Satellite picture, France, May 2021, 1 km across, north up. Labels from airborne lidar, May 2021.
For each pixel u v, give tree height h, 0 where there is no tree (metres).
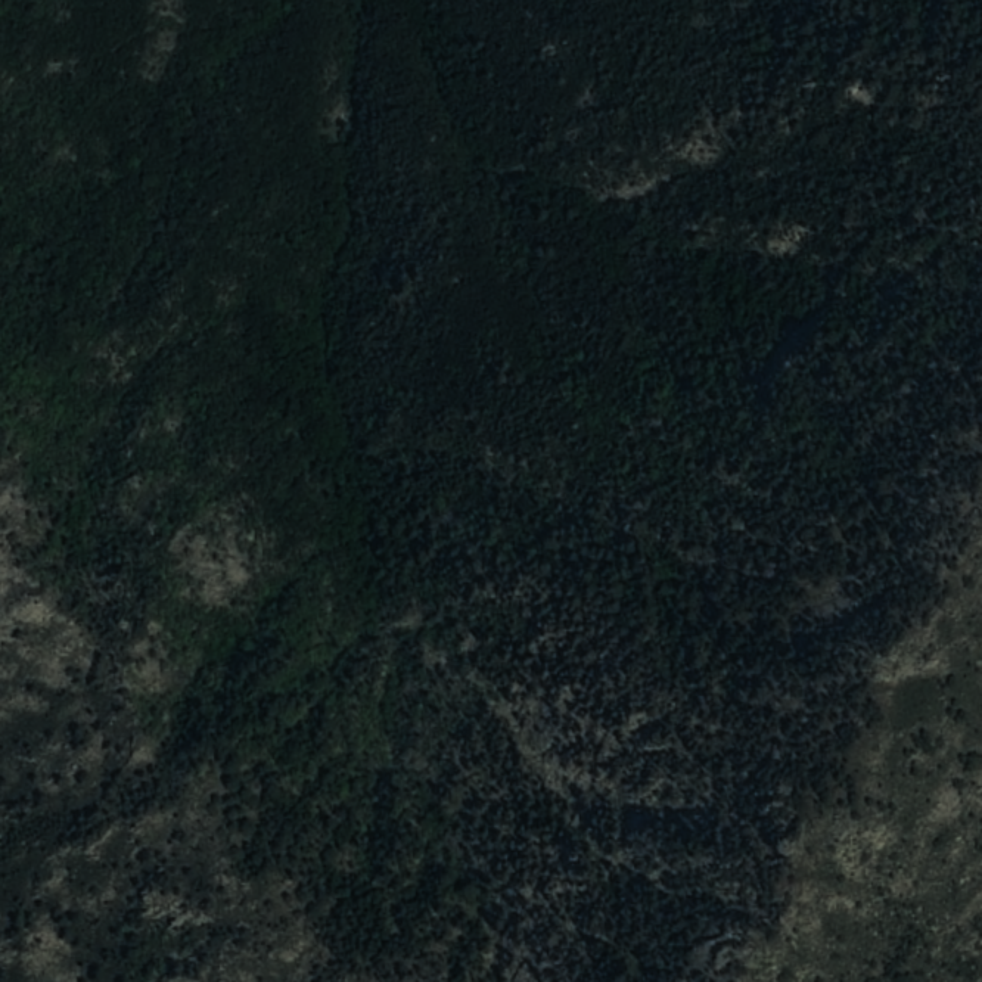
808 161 17
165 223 16
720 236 7
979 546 0
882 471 18
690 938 14
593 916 6
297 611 7
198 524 6
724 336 17
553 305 13
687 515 8
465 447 11
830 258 7
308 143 14
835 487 18
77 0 10
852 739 13
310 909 10
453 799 20
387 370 11
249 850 18
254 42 16
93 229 12
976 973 6
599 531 20
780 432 10
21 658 0
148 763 0
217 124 21
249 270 10
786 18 18
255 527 6
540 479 8
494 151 12
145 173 13
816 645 15
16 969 0
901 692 0
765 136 10
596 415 8
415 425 7
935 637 0
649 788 8
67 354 9
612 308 14
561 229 18
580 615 23
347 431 12
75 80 16
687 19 9
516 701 23
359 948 16
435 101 14
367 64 13
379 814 16
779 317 13
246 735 15
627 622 18
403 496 22
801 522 18
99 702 0
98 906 0
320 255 12
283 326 20
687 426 12
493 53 16
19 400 11
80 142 9
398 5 17
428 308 12
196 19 13
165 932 7
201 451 10
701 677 13
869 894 0
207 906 13
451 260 10
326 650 10
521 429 11
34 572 10
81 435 7
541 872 17
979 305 9
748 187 10
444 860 18
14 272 7
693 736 21
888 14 9
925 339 13
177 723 13
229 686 10
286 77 12
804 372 15
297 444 16
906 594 17
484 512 6
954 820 0
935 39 14
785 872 10
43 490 6
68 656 0
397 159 13
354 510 23
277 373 24
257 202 11
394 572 15
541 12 12
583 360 9
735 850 8
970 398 19
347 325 10
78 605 12
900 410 11
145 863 18
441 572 9
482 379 12
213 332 12
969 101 14
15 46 10
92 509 12
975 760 19
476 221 9
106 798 10
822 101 10
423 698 6
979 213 12
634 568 26
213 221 7
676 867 15
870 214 11
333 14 9
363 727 11
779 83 11
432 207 7
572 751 11
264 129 10
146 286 12
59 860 0
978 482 8
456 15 12
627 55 8
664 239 15
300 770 16
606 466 7
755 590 23
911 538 6
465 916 15
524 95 10
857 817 9
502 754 17
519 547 12
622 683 13
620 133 7
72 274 10
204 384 12
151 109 15
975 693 0
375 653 9
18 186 8
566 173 7
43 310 7
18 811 15
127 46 12
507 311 13
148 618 10
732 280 25
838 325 9
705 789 6
